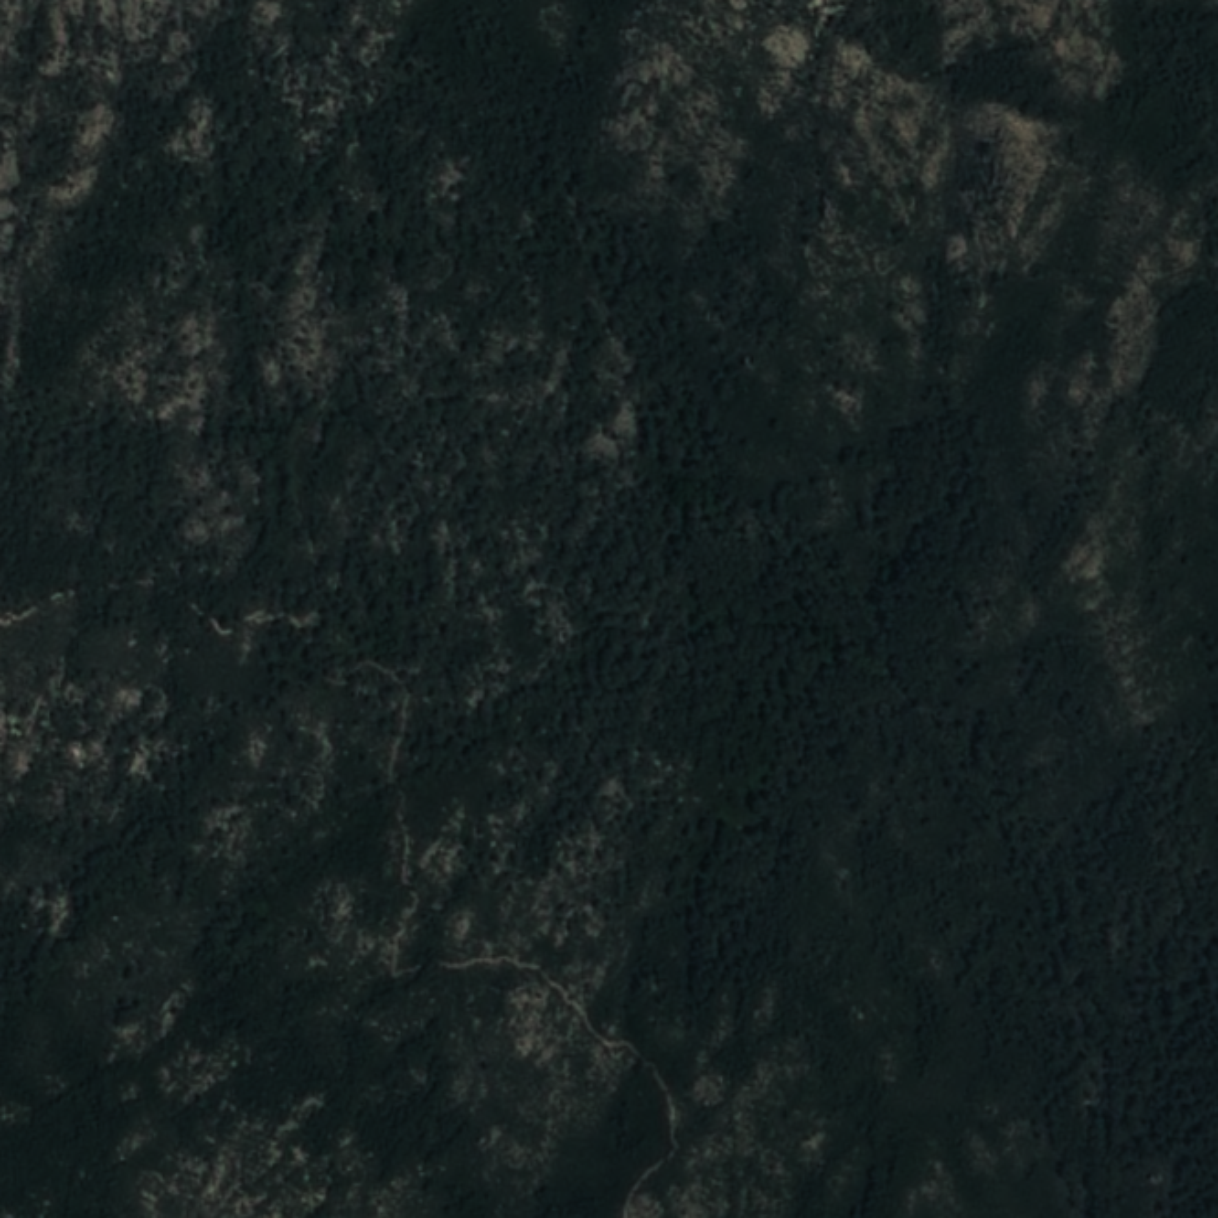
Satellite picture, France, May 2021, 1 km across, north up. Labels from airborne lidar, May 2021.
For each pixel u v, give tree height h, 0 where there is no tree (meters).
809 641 30
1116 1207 18
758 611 29
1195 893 19
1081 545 0
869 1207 16
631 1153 9
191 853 15
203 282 15
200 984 6
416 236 21
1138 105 11
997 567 11
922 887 11
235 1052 7
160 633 13
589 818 15
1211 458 7
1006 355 6
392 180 14
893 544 20
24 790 7
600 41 15
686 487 20
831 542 13
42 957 21
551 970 12
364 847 8
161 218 8
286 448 21
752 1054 6
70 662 5
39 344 11
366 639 13
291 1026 7
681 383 16
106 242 15
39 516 9
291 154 15
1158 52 11
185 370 9
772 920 16
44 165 8
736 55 0
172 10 9
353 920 6
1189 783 15
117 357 9
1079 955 24
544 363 14
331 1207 8
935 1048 6
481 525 20
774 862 19
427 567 9
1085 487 14
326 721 0
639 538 19
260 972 12
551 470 15
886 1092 7
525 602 14
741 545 25
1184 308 9
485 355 9
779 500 16
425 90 19
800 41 0
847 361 11
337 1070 8
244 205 6
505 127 10
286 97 9
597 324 16
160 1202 0
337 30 18
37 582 10
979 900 8
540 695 19
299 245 14
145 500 15
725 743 7
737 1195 8
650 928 12
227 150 19
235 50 14
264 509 8
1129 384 0
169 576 9
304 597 11
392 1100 9
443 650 16
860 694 27
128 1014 13
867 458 16
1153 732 14
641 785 18
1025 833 14
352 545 11
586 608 18
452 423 21
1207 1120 15
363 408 17
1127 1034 18
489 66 13
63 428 13
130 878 22
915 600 21
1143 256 0
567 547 17
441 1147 11
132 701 0
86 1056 8
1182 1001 18
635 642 22
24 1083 6
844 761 26
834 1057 13
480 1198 8
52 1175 7
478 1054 0
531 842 9
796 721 19
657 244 16
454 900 9
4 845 7
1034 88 9
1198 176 10
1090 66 0
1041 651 10
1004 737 16
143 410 14
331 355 0
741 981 13
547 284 10
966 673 6
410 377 12
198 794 17
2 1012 14
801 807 28
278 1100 7
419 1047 12
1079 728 15
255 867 12
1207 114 11
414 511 14
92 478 10
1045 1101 17
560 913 10
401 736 11
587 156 18
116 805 11
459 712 12
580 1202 8
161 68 11
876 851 13
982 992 11
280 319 13
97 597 10
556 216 12
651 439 24
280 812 11
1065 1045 15
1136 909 15
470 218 15
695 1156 0
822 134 13
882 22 10
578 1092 0
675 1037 0
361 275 13
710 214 14
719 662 24
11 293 0
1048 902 17
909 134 0
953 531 19
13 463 12
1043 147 0
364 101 11
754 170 11
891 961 10
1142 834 11
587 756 16
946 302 19
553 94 18
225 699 14
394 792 14
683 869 21
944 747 26
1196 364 8
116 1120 10
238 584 8
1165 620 13
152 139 13
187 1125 6
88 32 12
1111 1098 16
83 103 10
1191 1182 15
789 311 10
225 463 11
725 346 16
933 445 13
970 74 19
